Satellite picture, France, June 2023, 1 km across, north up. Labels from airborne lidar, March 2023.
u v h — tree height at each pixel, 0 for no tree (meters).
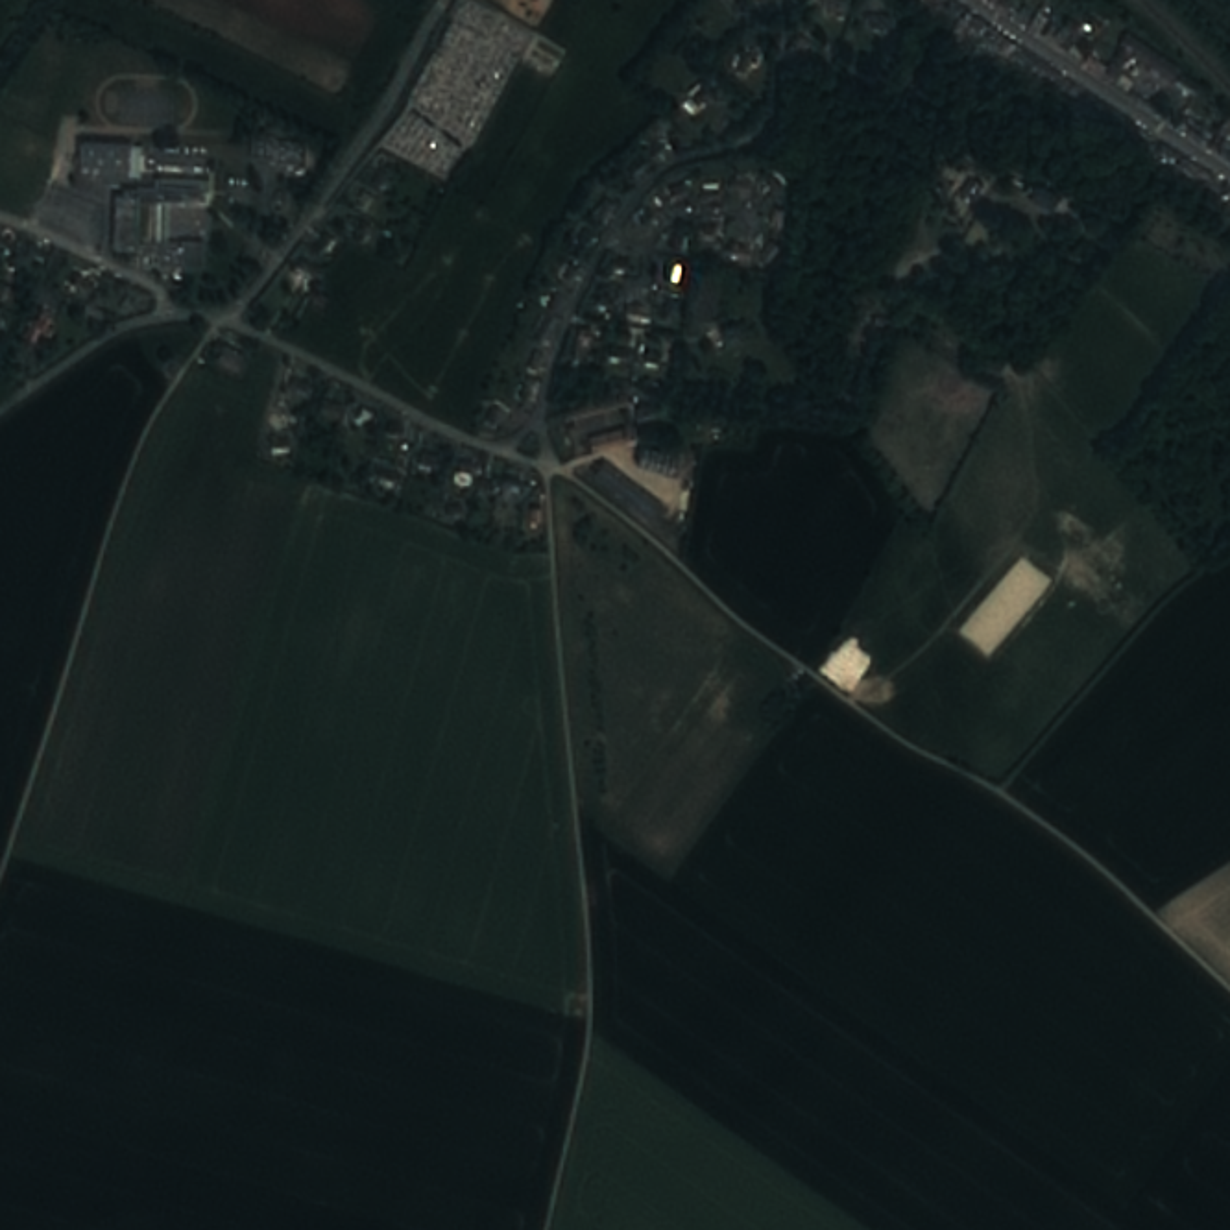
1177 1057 0
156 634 0
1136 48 0
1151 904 0
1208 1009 0
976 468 0
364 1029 0
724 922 0
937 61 26
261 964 0
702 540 0
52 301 0
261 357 0
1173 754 0
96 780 0
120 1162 0
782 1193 0
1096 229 19
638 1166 0
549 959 0
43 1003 0
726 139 9
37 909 0
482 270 0
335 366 0
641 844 0
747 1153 0
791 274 25
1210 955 0
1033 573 0
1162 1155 0
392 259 7
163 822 0
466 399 0
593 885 0
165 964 0
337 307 0
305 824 0
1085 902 0
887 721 0
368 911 0
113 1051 0
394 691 0
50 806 0
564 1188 0
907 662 0
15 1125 0
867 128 25
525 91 0
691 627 0
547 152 0
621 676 0
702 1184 0
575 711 0
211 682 0
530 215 0
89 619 0
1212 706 0
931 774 0
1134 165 21
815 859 0
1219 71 0
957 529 0
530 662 0
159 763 0
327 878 0
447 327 0
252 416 0
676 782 0
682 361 14
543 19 0
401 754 0
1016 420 0
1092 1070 0
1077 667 0
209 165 6
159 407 0
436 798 0
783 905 0
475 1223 0
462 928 0
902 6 11
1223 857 0
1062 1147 0
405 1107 0
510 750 0
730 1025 0
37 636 0
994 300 18
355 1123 0
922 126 25
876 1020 0
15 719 0
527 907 0
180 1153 0
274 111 16
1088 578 0
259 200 0
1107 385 0
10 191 0
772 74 7
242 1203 0
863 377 15
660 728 0
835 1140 0
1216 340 20
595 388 15
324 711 0
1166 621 0
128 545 0
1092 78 0
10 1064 0
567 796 0
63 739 0
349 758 0
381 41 0
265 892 0
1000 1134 0
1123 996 0
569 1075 0
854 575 0
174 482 0
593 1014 0
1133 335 0
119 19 0
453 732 0
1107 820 0
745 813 0
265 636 0
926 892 0
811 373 18
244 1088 0
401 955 0
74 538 0
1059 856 0
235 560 0
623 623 0
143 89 0
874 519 0
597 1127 0
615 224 0
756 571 0
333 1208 0
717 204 6
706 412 18
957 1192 0
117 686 0
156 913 0
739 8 12
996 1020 0
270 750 0
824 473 0
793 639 0
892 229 20
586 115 0
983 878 0
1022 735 0
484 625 0
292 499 0
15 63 8
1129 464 17
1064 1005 0
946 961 0
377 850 0
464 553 0
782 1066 0
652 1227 0
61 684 0
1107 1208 0
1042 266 19
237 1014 0
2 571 0
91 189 0
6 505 0
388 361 0
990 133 20
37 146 0
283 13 0
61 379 0
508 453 0
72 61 0
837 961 0
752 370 16
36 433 0
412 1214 0
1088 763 0
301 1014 0
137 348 0
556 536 0
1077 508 0
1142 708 0
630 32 0
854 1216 0
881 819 0
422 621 0
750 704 0
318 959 0
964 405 0
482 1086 0
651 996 0
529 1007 0
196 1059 0
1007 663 0
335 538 0
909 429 0
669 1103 0
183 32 0
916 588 0
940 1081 0
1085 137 23
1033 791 0
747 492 0
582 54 0
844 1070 0
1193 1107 0
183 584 0
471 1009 0
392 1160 0
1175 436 16
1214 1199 0
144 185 0
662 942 0
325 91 0
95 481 0
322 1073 0
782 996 0
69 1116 0
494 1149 0
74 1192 0
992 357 15
